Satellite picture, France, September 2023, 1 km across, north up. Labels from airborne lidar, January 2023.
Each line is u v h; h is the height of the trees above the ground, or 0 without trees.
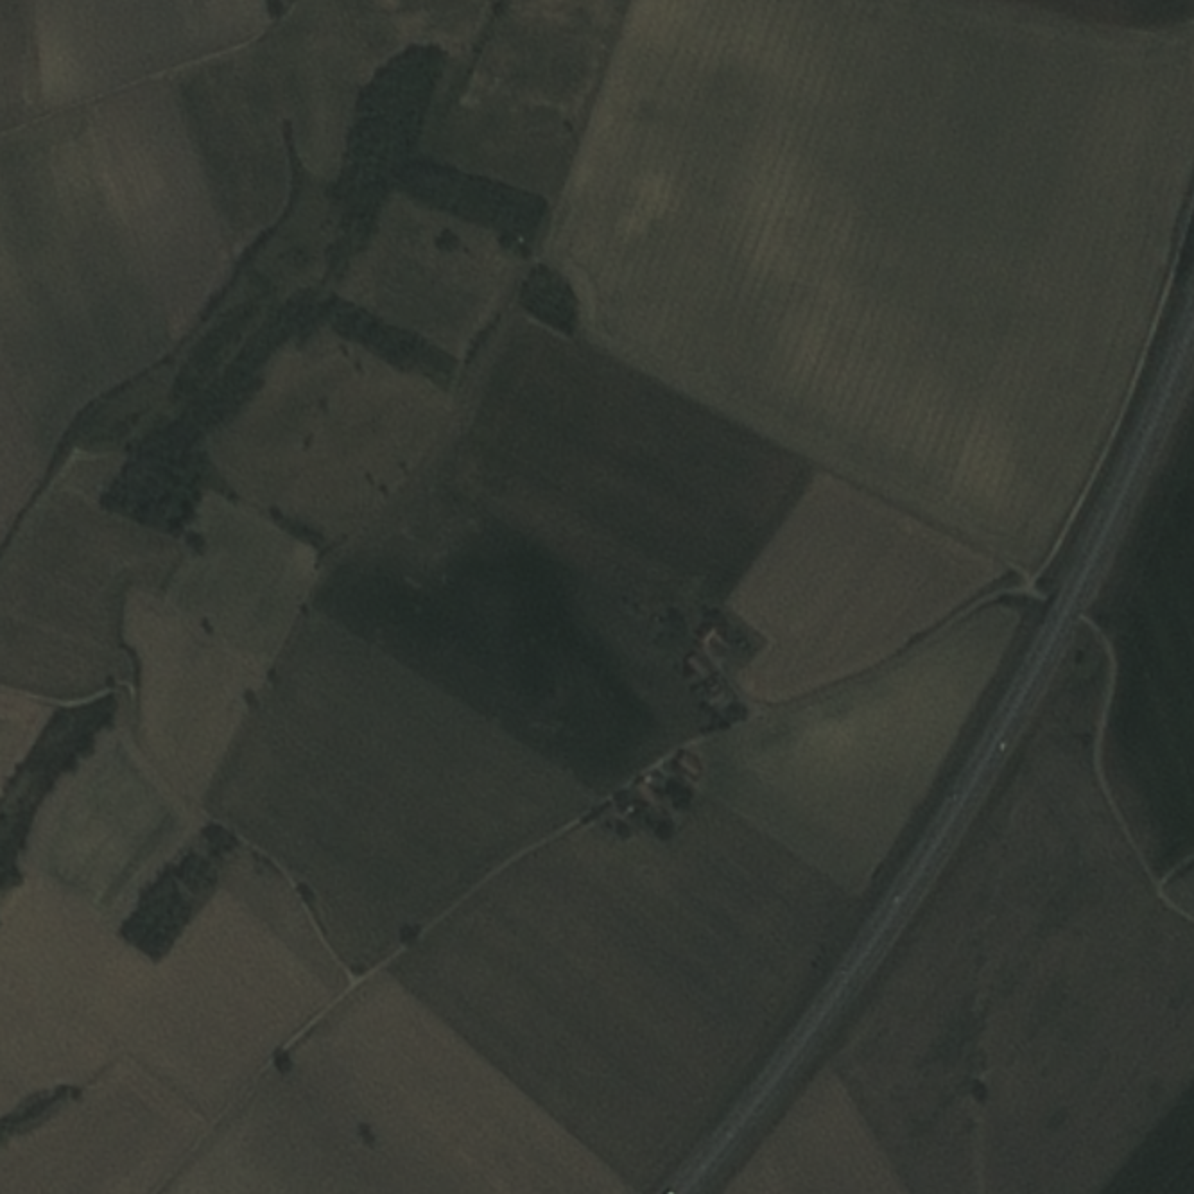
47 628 0
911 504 0
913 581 0
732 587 0
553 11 0
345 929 0
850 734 0
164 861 0
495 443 0
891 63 0
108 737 0
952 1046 0
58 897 0
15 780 7
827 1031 0
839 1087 0
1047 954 0
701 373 0
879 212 0
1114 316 0
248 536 0
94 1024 0
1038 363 0
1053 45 0
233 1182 0
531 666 0
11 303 0
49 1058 0
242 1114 0
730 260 0
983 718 0
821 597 0
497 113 0
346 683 0
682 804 8
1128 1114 0
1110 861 0
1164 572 0
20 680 0
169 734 0
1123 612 0
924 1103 0
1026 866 0
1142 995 0
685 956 0
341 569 0
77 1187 0
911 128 0
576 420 0
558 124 0
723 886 0
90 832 0
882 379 0
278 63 0
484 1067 0
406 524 0
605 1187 0
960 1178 0
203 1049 0
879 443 0
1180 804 0
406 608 0
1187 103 0
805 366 0
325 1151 0
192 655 0
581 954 0
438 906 0
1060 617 0
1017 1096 0
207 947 0
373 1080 0
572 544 0
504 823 0
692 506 0
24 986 0
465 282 0
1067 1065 0
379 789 0
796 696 0
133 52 0
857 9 0
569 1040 0
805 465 0
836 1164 0
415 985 0
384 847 0
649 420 0
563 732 0
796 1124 0
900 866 0
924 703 0
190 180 0
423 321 0
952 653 0
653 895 0
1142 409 0
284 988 0
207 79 0
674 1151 0
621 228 0
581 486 0
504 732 0
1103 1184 0
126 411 0
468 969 0
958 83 0
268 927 0
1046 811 0
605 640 0
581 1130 0
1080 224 0
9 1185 0
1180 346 0
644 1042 0
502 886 0
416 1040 0
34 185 0
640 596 0
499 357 0
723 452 0
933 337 0
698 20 0
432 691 0
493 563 0
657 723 0
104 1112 0
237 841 9
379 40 0
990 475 0
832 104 0
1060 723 0
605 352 0
